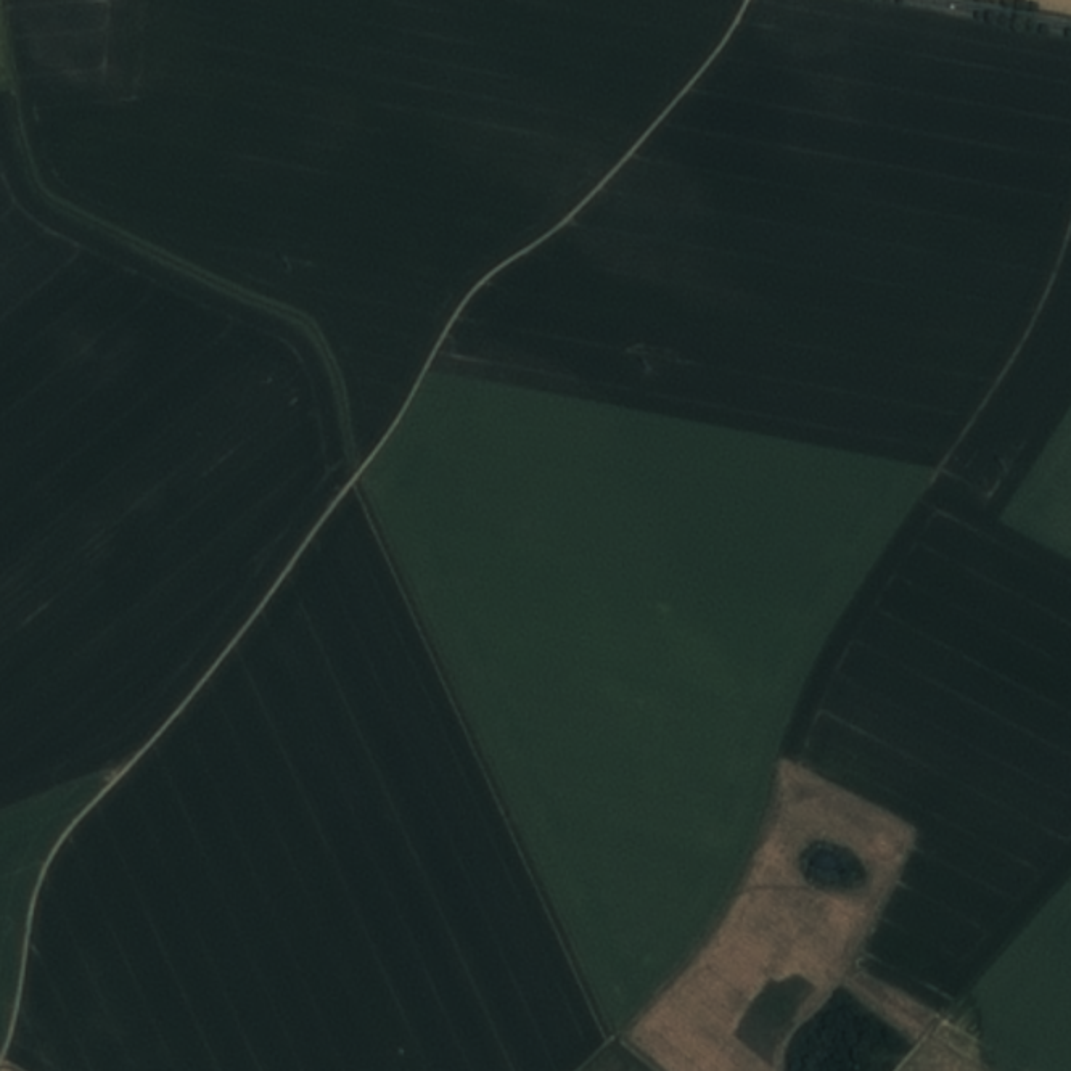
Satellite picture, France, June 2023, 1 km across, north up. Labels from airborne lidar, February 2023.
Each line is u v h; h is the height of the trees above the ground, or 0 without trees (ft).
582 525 0
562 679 0
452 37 0
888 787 0
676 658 0
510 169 0
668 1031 0
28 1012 0
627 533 0
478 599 0
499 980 0
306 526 0
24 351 0
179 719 0
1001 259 0
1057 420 0
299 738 0
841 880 20
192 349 0
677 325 0
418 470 0
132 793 0
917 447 0
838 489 0
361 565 0
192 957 0
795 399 0
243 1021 0
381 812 0
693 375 0
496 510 0
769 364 0
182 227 0
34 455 0
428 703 0
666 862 0
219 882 0
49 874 0
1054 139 0
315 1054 0
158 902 0
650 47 0
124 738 0
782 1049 0
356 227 0
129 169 0
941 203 0
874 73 0
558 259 0
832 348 0
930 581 0
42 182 0
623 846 0
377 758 0
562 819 0
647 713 0
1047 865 0
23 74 0
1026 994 0
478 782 0
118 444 0
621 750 0
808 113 0
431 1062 0
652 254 0
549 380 0
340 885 0
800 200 0
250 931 0
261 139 0
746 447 0
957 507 0
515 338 0
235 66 0
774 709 0
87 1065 0
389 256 0
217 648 0
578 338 0
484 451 0
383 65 0
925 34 0
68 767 0
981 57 0
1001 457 0
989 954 0
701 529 0
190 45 0
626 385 0
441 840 0
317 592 0
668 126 0
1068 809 0
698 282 0
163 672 0
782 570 0
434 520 0
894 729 0
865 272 0
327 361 0
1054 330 0
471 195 0
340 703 0
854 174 0
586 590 0
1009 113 0
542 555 0
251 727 0
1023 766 0
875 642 0
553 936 0
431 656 0
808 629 0
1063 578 0
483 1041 0
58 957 0
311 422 0
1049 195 0
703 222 0
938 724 0
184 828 0
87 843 0
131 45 0
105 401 0
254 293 0
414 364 0
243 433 0
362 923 0
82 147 0
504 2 0
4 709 0
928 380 0
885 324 0
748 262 0
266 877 0
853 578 0
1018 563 0
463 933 0
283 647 0
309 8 0
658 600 0
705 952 0
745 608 0
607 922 0
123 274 0
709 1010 0
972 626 0
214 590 0
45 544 0
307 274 0
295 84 0
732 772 0
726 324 0
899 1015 0
